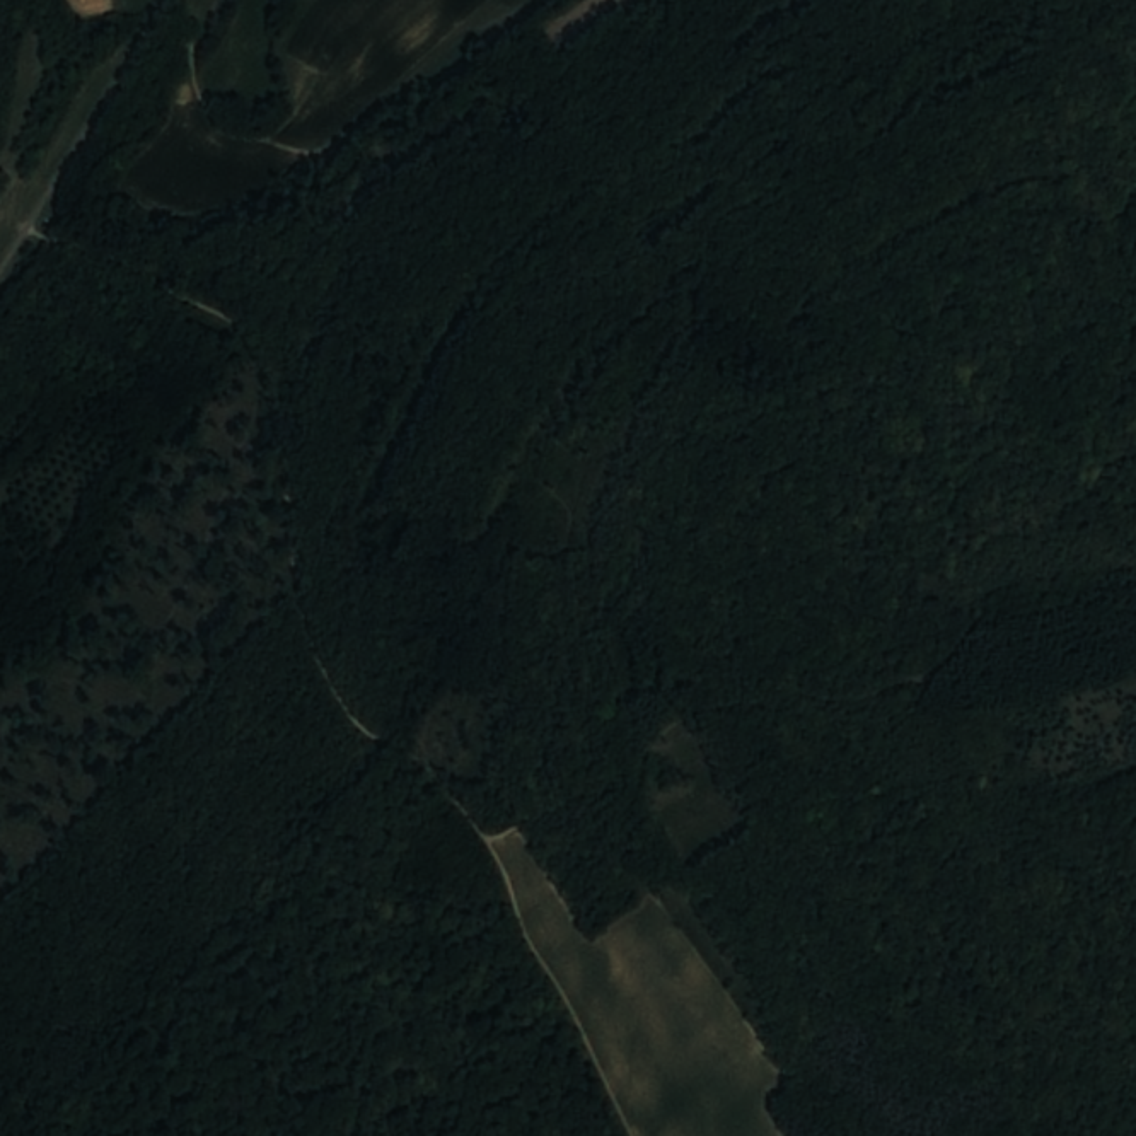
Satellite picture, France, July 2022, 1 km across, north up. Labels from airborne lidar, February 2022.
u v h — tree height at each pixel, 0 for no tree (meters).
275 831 7
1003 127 18
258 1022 22
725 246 20
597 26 22
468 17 0
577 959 0
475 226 23
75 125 0
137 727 27
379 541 22
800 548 17
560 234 21
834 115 20
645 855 17
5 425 17
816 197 21
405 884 12
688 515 16
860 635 16
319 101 0
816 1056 17
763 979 20
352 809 19
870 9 19
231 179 0
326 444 22
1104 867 7
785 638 18
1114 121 7
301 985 24
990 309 16
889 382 15
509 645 16
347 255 20
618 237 19
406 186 22
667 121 18
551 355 20
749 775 13
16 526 12
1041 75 20
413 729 17
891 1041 16
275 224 23
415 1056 18
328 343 22
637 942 0
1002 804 9
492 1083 19
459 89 26
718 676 15
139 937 12
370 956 20
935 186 14
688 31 19
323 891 21
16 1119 14
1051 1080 14
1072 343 23
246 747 13
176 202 0
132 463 10
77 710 0
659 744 16
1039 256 13
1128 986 13
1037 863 14
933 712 6
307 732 14
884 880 14
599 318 19
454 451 19
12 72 12
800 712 17
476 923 20
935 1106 22
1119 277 16
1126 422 13
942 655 11
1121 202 17
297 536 19
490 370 18
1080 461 11
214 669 23
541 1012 17
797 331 19
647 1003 0
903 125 19
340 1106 20
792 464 14
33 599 11
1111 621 12
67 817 0
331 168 18
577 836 14
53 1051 15
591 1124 19
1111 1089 6
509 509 9
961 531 14
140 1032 16
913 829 16
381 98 0
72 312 14
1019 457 13
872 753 11
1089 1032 12
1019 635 13
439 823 7
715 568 20
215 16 12
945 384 12
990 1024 15
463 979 18
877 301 19
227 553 22
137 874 15
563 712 12
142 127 18
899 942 15
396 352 22
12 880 19
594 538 13
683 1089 0
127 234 17
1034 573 7
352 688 14
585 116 21
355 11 0
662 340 9
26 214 0
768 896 17
